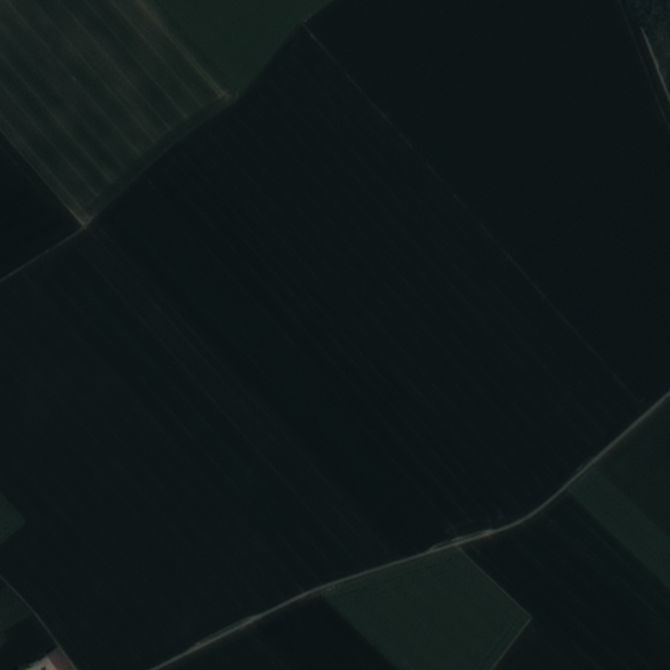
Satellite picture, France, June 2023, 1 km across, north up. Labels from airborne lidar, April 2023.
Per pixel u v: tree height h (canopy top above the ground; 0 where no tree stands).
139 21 0
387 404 0
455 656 0
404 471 0
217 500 0
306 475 0
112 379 0
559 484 0
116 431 0
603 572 0
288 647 0
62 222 0
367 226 0
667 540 0
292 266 0
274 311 0
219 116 0
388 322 0
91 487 0
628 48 0
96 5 0
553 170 0
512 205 0
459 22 0
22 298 0
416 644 0
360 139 0
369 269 0
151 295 0
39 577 0
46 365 0
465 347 0
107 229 0
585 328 0
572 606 0
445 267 0
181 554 0
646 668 0
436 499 0
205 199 0
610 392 0
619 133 0
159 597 0
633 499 0
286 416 0
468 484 0
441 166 0
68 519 0
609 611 0
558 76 0
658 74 0
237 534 0
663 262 0
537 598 0
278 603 0
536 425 0
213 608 0
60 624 0
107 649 0
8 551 0
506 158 0
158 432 0
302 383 0
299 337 0
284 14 0
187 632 0
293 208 0
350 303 0
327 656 0
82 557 0
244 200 0
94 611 0
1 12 0
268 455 0
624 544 0
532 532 0
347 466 0
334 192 0
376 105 0
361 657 0
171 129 0
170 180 0
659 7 18
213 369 0
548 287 0
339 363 0
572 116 0
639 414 0
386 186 0
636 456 0
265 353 0
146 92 0
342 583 0
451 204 0
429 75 0
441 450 0
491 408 0
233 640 0
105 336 0
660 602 0
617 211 0
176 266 0
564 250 0
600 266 0
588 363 0
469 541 0
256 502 0
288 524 0
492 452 0
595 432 0
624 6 0
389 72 0
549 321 0
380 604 0
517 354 0
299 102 0
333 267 0
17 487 0
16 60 0
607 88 0
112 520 0
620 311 0
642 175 0
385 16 0
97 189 0
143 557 0
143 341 0
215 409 0
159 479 0
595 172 0
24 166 0
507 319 0
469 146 0
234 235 0
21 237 0
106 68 0
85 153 0
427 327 0
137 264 0
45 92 0
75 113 0
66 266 0
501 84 0
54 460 0
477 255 0
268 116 0
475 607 0
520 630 0
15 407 0
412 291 0
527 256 0
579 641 0
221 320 0
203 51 0
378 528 0
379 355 0
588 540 0
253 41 0
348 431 0
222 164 0
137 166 0
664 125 0
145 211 0
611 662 0
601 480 0
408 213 0
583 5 0
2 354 0
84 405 0
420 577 0
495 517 0
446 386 0
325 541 0
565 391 0
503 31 0
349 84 0
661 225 0
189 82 0
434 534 0
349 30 0
